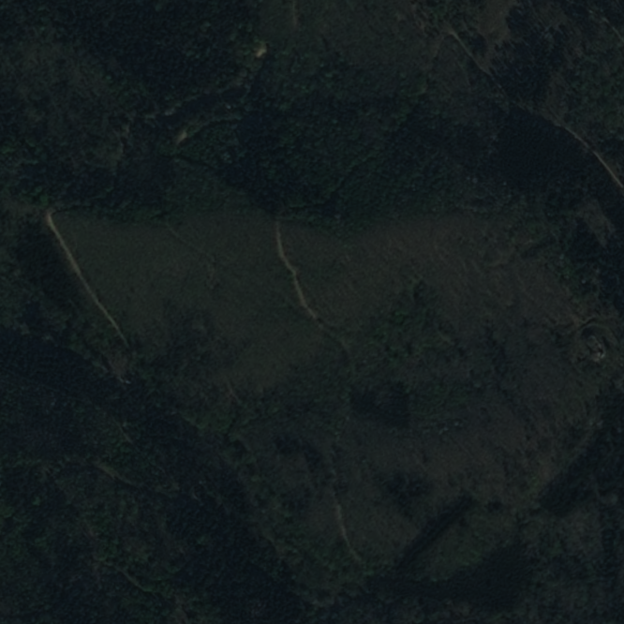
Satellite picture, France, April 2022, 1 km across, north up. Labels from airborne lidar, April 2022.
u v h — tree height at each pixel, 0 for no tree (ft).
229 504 94
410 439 59
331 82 79
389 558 78
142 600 56
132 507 74
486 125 57
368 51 56
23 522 55
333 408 78
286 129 79
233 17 92
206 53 95
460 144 44
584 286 75
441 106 44
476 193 49
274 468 59
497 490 62
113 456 28
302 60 77
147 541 67
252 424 66
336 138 68
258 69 45
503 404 73
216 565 102
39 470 48
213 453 84
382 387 64
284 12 59
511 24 0
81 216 49
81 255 40
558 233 76
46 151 93
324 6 38
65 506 48
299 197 75
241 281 52
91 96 63
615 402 63
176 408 72
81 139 64
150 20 113
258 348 48
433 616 82
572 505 61
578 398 46
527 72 89
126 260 47
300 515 45
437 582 78
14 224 46
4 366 65
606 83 63
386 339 65
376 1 35
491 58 0
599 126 56
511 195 62
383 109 66
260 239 46
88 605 58
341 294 38
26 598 64
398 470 46
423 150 51
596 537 63
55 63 51
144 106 71
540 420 67
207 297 47
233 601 104
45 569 50
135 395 80
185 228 48
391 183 53
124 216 63
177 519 110
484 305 57
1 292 45
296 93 80
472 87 44
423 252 50
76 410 72
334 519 54
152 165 55
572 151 71
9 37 19
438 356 69
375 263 59
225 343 62
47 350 105
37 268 65
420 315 66
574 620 82
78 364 110
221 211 52
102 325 80
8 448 54
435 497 61
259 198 63
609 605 64
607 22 64
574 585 66
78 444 73
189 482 70
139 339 65
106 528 67
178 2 72
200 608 99
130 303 61
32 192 40
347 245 42
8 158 46
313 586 27
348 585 30
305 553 28
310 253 35
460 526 44
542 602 84
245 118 19
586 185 54
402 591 91
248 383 47
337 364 85
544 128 67
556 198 99
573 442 40
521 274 51
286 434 61
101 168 44
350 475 44
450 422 50
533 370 66
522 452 65
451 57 44
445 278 53
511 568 77
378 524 54
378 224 56
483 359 68
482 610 83
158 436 78
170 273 31
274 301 62
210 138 28
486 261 38
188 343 70
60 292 59
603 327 0
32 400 60
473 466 55
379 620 69
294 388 82
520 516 64
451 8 23
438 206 50
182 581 81
